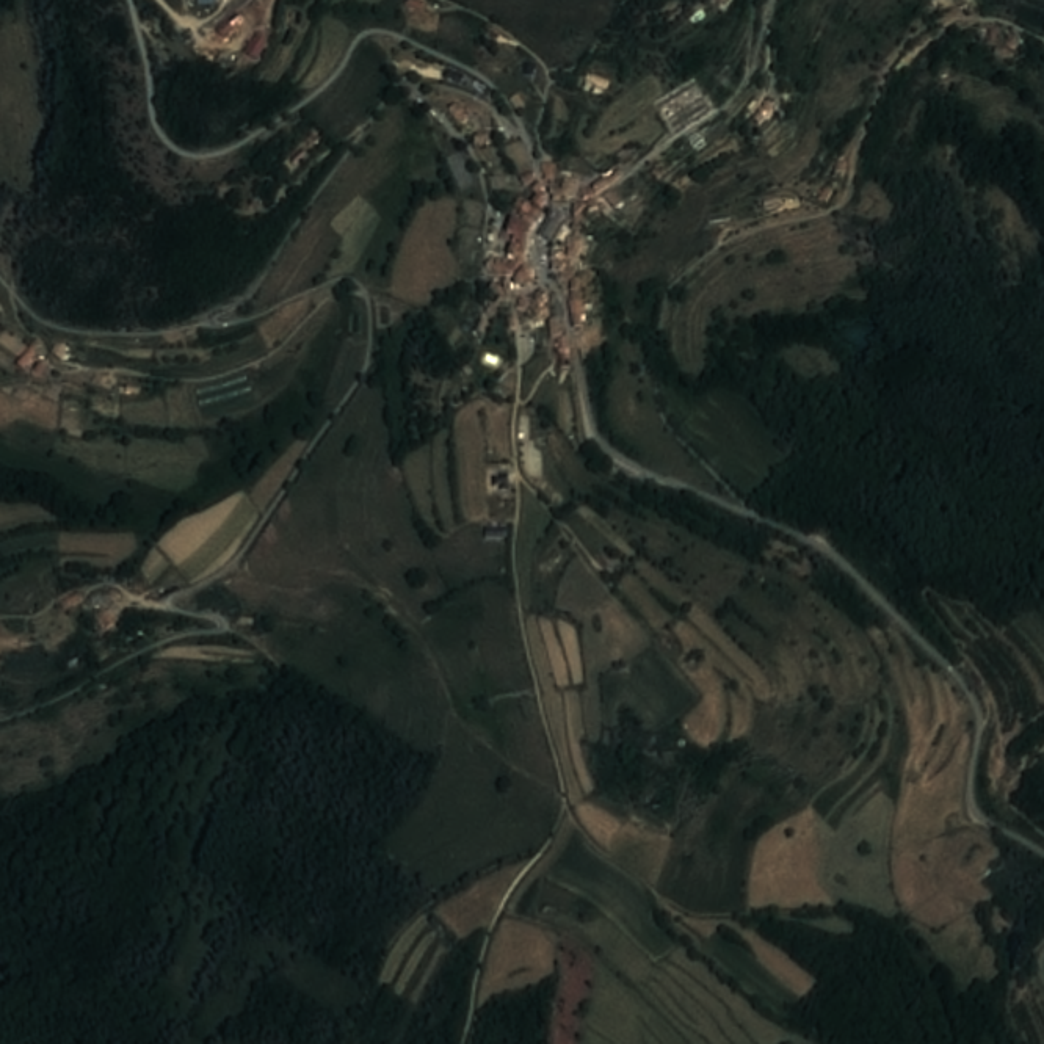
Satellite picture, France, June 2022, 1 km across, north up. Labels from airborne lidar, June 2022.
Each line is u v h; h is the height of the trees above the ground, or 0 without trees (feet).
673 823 0
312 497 0
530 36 0
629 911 0
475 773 0
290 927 19
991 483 83
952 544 61
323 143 26
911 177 32
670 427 28
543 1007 35
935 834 0
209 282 40
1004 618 61
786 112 25
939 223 43
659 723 0
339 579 0
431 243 0
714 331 29
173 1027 59
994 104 0
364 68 0
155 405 0
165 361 24
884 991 49
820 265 0
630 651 0
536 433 0
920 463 60
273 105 31
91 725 0
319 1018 40
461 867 0
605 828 0
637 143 21
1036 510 32
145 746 53
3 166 0
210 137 22
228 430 71
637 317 0
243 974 31
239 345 25
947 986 56
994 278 50
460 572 0
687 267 0
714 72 0
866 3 0
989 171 67
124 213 20
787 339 50
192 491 0
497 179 0
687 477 0
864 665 23
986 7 25
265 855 49
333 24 0
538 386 0
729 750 34
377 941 22
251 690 26
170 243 30
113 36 28
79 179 26
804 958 21
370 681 0
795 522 36
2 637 0
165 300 29
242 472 41
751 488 0
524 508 0
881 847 0
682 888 0
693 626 0
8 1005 69
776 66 40
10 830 68
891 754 0
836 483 57
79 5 22
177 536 0
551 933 0
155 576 0
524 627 0
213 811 59
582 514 0
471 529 0
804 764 0
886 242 51
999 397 89
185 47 0
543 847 0
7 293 0
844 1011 44
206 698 52
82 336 0
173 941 43
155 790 41
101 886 46
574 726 0
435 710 0
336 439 0
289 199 40
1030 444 81
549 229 0
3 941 96
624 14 20
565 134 20
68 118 42
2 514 0
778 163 0
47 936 60
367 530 0
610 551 24
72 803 82
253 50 0
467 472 0
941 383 69
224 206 24
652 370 25
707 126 29
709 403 0
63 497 77
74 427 0
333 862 35
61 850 60
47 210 21
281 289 0
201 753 41
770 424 42
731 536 40
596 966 0
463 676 0
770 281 0
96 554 0
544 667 0
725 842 0
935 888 0
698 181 64
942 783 0
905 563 31
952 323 70
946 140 54
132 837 59
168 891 30
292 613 0
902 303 64
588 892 0
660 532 0
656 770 0
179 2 0
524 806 0
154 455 0
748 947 25
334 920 30
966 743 0
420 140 0
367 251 0
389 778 32
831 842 0
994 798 0
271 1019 22
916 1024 40
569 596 0
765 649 0
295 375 0
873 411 57
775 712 0
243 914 50
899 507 97
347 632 0
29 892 86
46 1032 60
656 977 0
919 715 0
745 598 0
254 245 49
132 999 60
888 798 0
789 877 0
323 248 0
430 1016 23
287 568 0
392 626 23
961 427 75
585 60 30
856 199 26
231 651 0
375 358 24
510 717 0
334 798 27
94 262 32
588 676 0
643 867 0
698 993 0
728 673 0
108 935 49
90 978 49
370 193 0
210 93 32
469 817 0
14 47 0
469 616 0
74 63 30
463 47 0
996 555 80
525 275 0
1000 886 0
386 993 37
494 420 0
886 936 36
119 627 32
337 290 41
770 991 0
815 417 62
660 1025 0
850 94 0
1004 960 32
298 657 0
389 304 0
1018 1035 33
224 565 0
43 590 0
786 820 0
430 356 59
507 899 0
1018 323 39
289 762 28
